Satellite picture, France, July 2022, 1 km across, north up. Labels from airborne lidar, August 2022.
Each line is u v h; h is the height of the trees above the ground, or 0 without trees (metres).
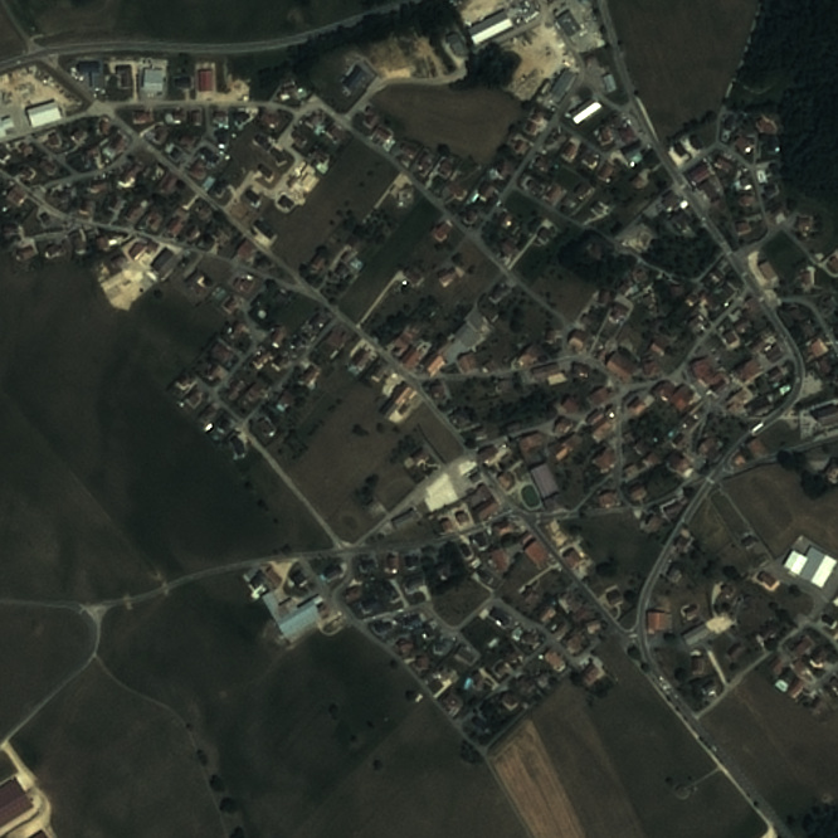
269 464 0
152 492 0
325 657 0
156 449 0
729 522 0
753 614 0
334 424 0
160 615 0
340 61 0
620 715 0
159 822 0
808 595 0
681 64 0
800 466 8
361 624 0
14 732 0
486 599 0
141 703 0
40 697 0
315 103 0
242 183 0
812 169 18
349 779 0
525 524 0
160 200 11
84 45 0
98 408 0
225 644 0
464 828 0
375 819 0
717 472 0
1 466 0
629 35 0
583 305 0
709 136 0
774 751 0
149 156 0
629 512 0
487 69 17
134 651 0
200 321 0
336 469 0
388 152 0
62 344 0
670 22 0
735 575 15
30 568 0
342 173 0
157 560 0
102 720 0
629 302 0
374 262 0
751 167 0
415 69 0
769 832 0
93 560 0
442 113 0
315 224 0
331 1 0
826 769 0
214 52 0
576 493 0
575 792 0
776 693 0
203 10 0
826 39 16
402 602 0
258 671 0
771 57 16
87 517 0
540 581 0
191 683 0
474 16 0
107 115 0
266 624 0
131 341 0
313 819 0
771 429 0
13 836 0
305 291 0
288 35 0
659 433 9
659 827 0
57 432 0
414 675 0
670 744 0
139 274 0
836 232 0
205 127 0
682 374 0
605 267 12
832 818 15
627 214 0
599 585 0
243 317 0
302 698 0
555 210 0
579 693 0
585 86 0
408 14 17
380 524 0
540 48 0
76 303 0
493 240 11
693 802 0
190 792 0
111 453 0
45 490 0
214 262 0
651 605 0
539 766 0
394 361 0
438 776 0
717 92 0
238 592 0
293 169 0
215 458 0
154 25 0
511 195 0
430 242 0
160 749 0
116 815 0
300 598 0
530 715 0
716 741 0
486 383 8
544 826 0
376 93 0
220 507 0
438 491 0
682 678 13
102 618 0
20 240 0
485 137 0
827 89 17
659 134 0
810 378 0
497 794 0
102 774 0
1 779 0
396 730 0
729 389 0
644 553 0
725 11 0
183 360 0
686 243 6
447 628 0
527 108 11
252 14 0
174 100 0
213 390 0
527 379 0
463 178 0
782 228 0
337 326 0
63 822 0
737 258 0
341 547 0
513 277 0
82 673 0
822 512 0
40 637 0
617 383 0
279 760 0
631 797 0
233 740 0
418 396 0
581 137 0
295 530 0
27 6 0
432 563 5
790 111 12
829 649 7
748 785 0
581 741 0
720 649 0
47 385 0
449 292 0
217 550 0
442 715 0
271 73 11
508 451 0
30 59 0
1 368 0
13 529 0
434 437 0
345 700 0
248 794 0
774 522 0
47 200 0
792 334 7
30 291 0
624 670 0
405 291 8
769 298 0
